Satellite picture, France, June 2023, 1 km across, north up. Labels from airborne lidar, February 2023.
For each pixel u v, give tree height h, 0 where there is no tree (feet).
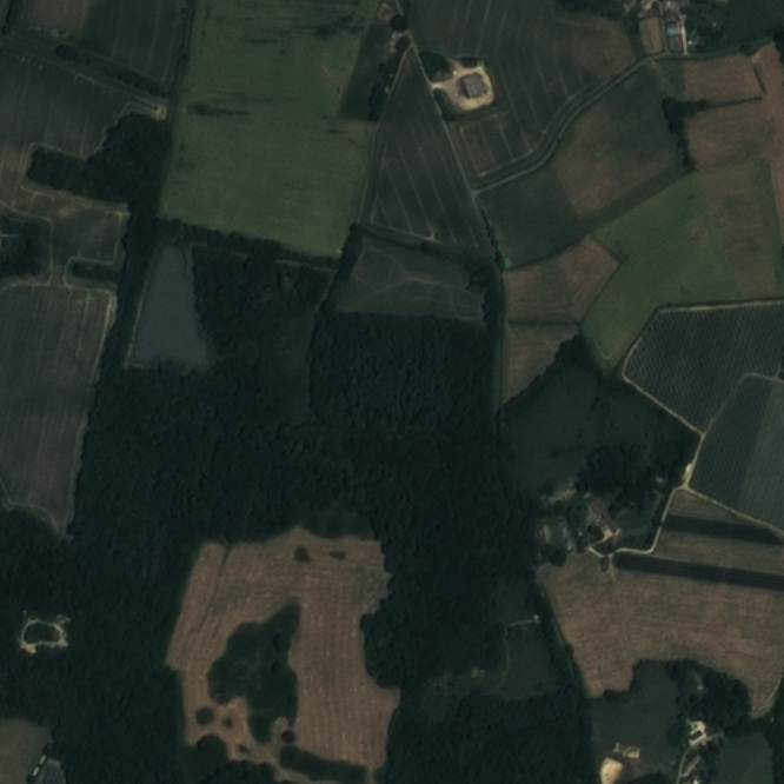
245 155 0
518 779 66
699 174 0
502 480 43
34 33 0
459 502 83
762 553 0
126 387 57
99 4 0
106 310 0
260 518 52
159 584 73
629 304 0
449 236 0
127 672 72
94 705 45
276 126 0
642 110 0
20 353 0
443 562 74
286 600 0
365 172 0
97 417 33
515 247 0
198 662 0
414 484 62
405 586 58
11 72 0
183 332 0
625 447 24
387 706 0
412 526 20
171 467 59
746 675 0
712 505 0
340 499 76
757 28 0
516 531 59
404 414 65
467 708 45
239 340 49
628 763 0
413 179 0
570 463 0
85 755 77
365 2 0
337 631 0
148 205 71
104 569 59
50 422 0
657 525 56
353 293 0
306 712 0
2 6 0
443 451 79
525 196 0
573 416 0
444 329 65
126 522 66
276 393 24
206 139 0
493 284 42
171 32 0
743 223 0
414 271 0
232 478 74
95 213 0
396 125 0
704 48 22
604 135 0
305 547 0
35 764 0
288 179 0
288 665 0
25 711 48
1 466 0
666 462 19
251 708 0
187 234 33
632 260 0
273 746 0
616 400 0
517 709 68
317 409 61
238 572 0
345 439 71
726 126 0
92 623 49
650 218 0
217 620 0
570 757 58
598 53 0
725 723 61
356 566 0
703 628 0
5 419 0
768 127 0
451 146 0
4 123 0
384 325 69
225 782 81
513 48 0
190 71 0
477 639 62
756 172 0
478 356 75
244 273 27
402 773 73
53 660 29
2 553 72
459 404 65
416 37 0
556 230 0
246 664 0
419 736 22
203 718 0
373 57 0
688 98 0
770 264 0
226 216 0
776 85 0
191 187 0
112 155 72
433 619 72
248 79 0
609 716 0
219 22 0
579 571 0
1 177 0
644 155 0
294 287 52
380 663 55
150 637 69
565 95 0
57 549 70
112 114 0
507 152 0
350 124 0
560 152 0
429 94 0
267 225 0
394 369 81
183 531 59
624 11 0
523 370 0
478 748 71
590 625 0
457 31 0
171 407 54
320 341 65
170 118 0
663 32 0
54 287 0
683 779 20
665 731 0
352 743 0
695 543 0
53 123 0
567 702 58
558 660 34
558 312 0
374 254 0
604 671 0
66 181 63
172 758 62
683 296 0
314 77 0
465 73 0
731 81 0
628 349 0
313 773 0
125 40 0
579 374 0
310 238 0
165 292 0
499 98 0
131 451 60
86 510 57
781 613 0
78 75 0
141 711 61
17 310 0
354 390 81
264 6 0
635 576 0
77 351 0
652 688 0
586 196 0
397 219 0
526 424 0
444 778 84
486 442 75
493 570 58
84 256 0
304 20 0
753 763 0
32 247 59
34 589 21
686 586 0
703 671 31
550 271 0
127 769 79
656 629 0
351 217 0
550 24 0
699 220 0
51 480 0
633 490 57
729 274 0
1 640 63
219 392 77
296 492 78
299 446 76
